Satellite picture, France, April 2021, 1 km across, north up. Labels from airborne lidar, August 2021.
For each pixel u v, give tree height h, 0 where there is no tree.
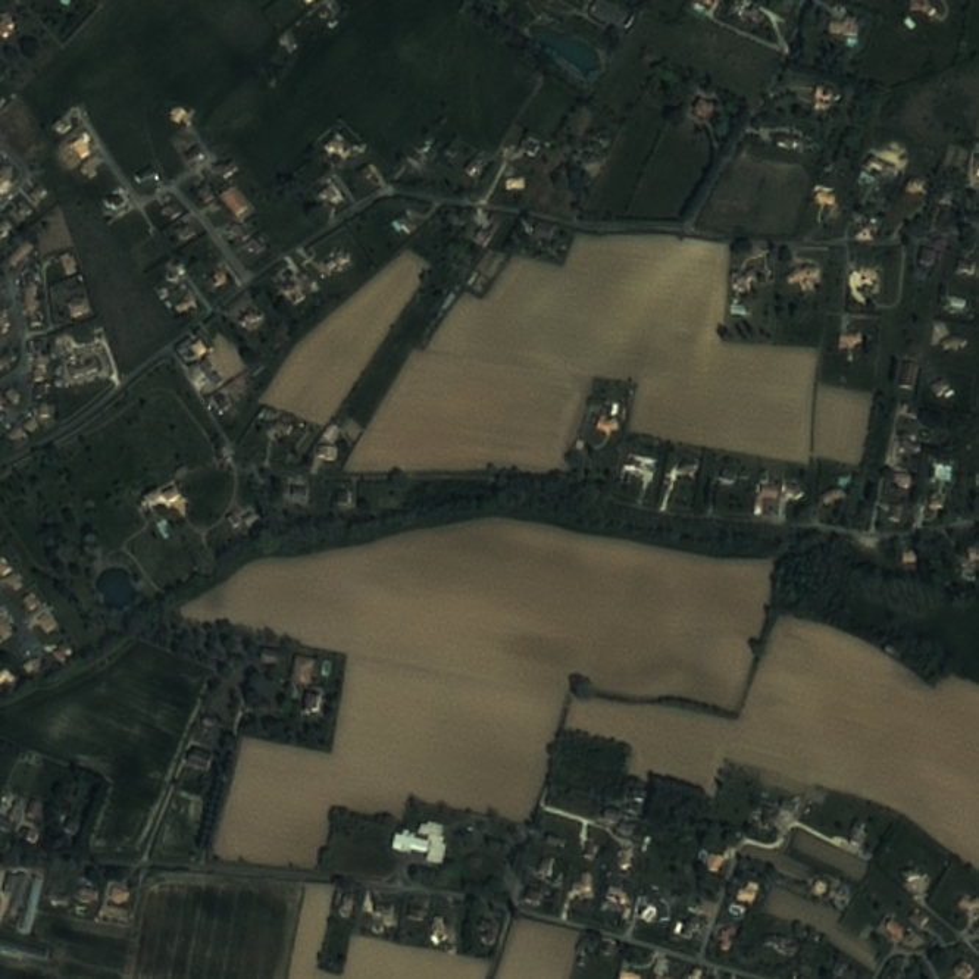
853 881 0
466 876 0
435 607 0
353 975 0
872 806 6
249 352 11
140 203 0
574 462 14
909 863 0
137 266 0
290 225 0
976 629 0
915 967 7
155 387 0
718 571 0
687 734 0
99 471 0
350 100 0
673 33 0
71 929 0
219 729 9
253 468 14
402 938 12
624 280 0
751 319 0
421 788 0
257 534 16
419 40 0
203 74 0
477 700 0
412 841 0
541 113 0
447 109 11
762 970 9
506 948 0
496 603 0
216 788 12
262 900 0
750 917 6
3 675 0
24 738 0
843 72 21
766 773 0
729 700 0
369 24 0
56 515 10
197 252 0
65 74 0
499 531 0
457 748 0
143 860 0
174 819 0
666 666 0
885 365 0
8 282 11
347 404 7
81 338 0
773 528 10
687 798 16
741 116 15
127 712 0
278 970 0
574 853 0
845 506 10
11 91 0
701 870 11
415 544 0
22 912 7
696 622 0
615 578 0
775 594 9
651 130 0
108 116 0
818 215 0
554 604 0
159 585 0
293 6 0
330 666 0
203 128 0
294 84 0
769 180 0
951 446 8
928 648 16
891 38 0
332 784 0
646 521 10
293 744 15
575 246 0
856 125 9
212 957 0
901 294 0
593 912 7
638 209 0
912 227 11
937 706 0
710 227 0
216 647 8
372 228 0
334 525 17
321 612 0
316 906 0
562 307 0
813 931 10
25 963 0
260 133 0
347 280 0
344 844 0
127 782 0
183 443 0
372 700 0
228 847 0
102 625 8
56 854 7
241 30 0
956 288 0
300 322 8
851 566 12
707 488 7
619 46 6
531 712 0
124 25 0
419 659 0
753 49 0
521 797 0
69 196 0
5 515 0
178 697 0
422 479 0
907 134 0
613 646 0
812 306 11
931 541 11
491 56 0
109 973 0
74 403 0
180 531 15
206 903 0
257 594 0
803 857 0
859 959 0
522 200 12
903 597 34
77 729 0
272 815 0
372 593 0
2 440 9
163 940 0
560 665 0
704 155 0
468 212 10
